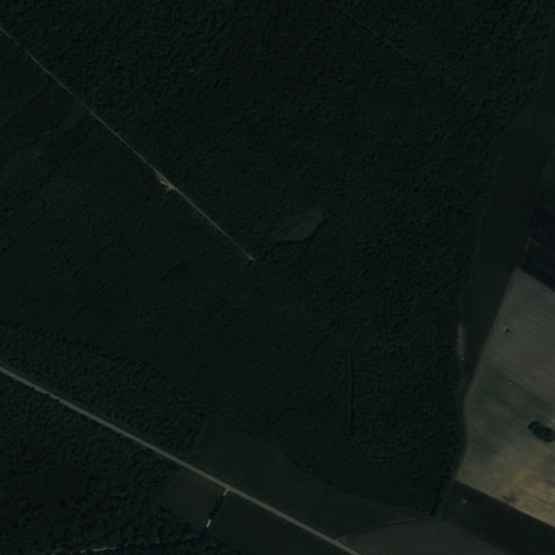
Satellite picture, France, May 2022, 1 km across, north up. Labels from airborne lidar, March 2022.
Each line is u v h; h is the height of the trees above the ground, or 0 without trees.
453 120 18
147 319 7
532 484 0
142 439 0
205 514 0
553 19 18
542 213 0
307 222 0
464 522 0
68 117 18
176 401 21
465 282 13
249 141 22
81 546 30
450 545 0
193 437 23
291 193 19
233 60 22
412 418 20
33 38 26
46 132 15
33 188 8
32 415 24
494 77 26
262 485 0
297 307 5
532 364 0
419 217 23
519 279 0
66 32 18
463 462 0
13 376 0
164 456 0
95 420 0
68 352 23
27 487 16
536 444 0
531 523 0
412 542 0
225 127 16
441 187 22
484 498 0
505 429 0
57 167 10
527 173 0
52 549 17
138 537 22
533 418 0
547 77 0
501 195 0
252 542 0
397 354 17
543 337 0
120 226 9
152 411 23
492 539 0
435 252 23
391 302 24
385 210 18
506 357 0
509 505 0
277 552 0
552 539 0
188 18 26
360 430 17
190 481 0
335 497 0
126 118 22
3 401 22
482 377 0
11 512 11
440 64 22
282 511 0
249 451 0
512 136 0
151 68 24
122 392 25
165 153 18
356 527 0
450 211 24
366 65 18
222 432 0
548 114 0
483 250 0
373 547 0
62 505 34
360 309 20
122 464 21
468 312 0
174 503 0
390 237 22
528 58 23
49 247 9
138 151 11
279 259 18
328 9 23
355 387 13
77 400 23
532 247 0
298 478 0
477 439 0
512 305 0
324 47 22
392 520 0
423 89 18
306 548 0
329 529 0
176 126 18
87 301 6
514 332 0
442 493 20
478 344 0
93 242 7
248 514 0
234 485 0
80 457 29
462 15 26
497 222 0
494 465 0
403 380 19
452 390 19
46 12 18
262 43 25
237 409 7
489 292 0
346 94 22
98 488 31
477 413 0
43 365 19
